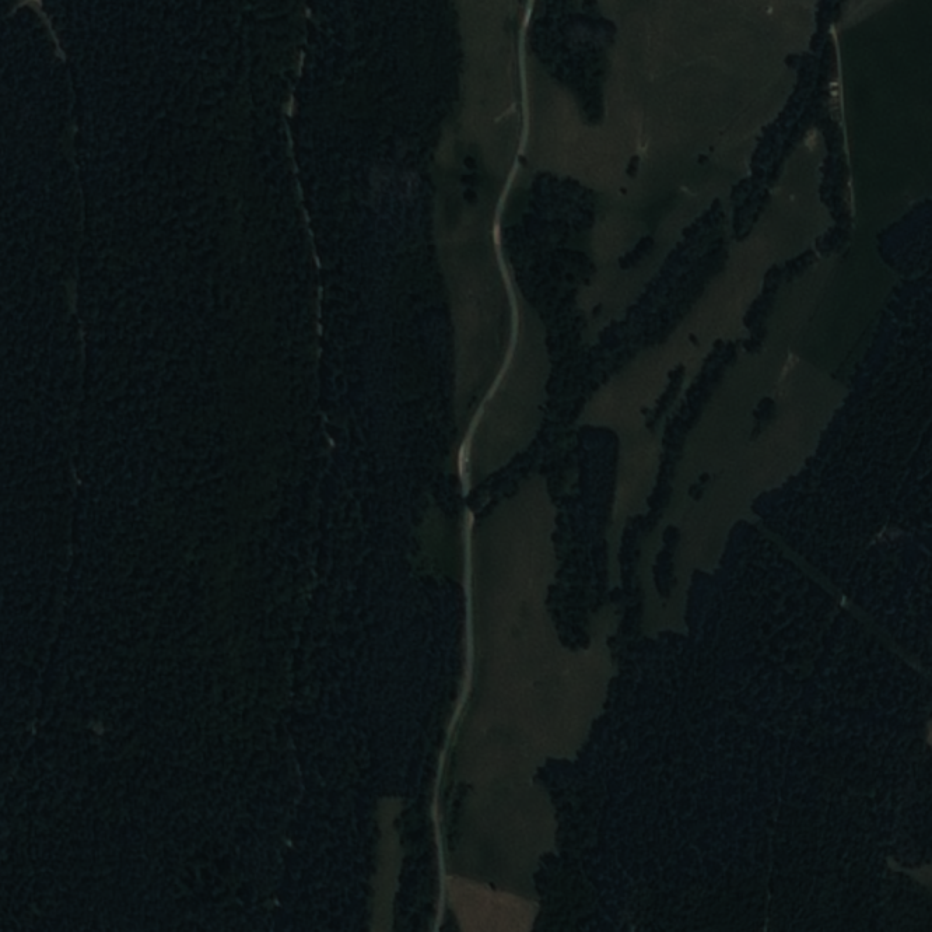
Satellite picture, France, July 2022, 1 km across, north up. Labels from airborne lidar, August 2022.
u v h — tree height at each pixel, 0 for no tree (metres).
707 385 20
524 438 0
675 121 0
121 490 17
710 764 25
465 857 0
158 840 27
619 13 0
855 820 5
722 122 0
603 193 0
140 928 24
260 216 27
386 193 29
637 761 27
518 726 0
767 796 30
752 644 20
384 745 27
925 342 10
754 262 0
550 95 0
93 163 18
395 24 17
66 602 16
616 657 9
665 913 7
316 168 26
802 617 28
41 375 16
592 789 22
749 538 27
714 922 7
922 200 0
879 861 12
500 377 0
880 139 0
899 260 29
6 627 23
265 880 31
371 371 32
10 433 18
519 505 0
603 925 37
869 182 0
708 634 26
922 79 0
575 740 0
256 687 22
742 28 0
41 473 19
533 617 0
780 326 0
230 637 23
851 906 6
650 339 18
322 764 37
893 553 13
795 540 28
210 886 28
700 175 0
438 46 16
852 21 0
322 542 24
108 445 21
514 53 0
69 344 20
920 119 0
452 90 16
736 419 0
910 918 17
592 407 0
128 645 22
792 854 13
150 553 20
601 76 8
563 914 9
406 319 14
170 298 23
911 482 10
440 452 17
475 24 0
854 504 14
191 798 26
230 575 29
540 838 0
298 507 32
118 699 24
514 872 0
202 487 24
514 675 0
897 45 0
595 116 5
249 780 25
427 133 23
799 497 24
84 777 19
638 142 0
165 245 24
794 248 0
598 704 0
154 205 22
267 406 32
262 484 28
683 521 0
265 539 29
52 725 15
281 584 27
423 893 9
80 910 30
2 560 19
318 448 24
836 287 0
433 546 0
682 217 0
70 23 20
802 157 0
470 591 0
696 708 16
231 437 23
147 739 23
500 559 0
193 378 27
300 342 31
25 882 21
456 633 25
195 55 26
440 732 12
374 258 34
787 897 9
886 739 22
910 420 16
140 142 24
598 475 27
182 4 16
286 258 17
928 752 16
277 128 25
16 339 22
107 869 29
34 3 0
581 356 10
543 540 0
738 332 0
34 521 17
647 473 0
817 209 0
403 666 30
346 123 13
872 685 17
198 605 20
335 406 36
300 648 30
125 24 30
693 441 0
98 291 20
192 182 29
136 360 20
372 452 27
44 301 23
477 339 0
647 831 25
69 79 18
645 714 18
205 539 27
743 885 12
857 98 0
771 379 0
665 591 13
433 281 13
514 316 0
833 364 0
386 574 29
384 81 13
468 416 0
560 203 30
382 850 0
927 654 19
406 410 21
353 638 32
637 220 0
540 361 0
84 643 19
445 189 0
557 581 9
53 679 23
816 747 23
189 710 18
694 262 19
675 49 0
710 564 0
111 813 20
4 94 21
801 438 0
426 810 19
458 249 0
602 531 21
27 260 20
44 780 18
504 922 0
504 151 0
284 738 33
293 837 23
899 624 20
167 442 22
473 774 0
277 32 36
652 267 0
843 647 21
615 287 0
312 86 15
